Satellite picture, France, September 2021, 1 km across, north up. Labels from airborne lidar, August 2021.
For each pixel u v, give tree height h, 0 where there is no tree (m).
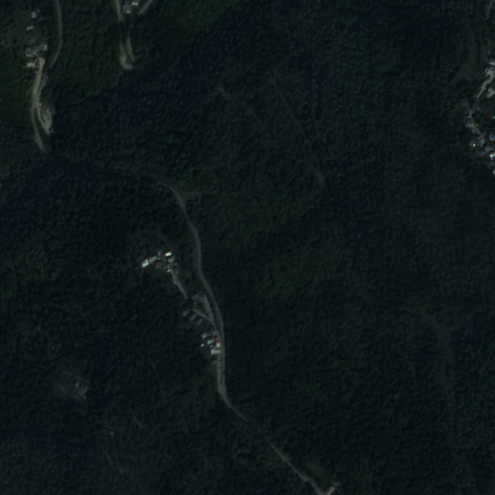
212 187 18
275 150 14
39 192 32
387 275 27
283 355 25
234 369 18
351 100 12
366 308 20
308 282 12
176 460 15
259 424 17
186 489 20
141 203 12
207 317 0
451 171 16
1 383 7
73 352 15
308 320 23
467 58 12
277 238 30
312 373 25
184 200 0
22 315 19
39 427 13
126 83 25
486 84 0
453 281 14
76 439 26
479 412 17
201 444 20
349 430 14
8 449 29
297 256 15
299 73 34
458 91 11
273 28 21
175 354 21
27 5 14
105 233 19
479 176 21
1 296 18
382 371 24
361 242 23
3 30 10
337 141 22
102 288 13
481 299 21
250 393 20
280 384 18
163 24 22
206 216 17
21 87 15
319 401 17
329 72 17
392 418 15
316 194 24
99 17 15
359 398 22
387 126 16
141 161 13
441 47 22
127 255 11
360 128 18
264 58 25
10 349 14
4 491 26
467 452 15
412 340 15
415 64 21
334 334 19
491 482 19
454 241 17
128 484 11
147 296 8
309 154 10
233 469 22
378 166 21
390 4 22
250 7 22
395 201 21
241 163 17
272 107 19
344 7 14
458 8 12
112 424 20
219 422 22
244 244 18
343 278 27
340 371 10
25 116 18
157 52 15
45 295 19
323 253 16
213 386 12
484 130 6
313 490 17
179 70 15
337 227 22
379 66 18
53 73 15
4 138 32
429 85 20
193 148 23
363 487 17
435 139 17
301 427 22
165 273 0
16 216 32
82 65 22
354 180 24
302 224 25
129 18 13
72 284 21
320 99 27
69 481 29
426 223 24
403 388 15
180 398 16
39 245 15
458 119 8
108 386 30
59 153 16
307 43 17
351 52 11
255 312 28
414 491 26
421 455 20
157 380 14
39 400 13
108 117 25
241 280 22
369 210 23
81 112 23
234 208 16
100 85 17
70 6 12
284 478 10
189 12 20
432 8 13
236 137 17
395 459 13
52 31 12
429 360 34
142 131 21
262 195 16
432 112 14
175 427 12
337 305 19
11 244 21
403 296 22
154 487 16
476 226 17
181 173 16
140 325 20
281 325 23
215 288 14
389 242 21
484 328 20
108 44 15
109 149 22
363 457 24
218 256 28
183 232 18
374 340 24
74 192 14
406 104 20
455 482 11
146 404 22
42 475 30
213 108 19
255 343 17
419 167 22
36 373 15
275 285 19
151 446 9
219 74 29
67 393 0
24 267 16
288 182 14
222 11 21
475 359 13
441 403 12
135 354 11
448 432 13
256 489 22
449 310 17
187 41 24
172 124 23
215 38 29
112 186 16
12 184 27
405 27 16
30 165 30
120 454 18
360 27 14
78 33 18
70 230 19
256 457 18
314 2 12
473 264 18
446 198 19
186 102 15
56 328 8
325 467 12
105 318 16
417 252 20
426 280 23
